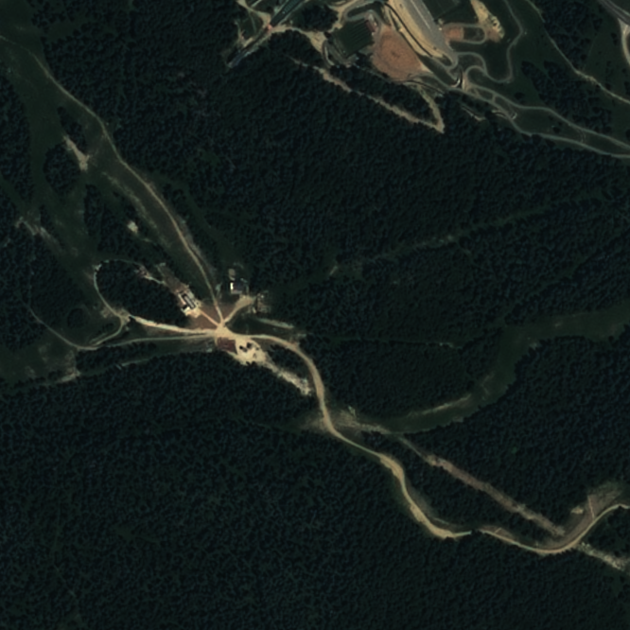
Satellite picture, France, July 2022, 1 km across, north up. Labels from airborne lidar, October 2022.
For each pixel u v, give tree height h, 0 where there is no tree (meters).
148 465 18
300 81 26
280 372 0
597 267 9
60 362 0
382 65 0
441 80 0
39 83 0
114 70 16
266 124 22
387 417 18
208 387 8
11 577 16
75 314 9
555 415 23
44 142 0
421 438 11
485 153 26
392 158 25
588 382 18
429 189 24
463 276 21
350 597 11
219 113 18
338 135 28
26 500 20
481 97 0
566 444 19
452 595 21
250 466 19
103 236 10
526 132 0
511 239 32
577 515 0
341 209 26
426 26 0
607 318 0
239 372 21
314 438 8
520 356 0
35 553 26
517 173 25
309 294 12
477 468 24
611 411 29
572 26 24
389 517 16
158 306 22
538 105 0
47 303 10
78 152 0
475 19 0
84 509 13
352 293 15
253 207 18
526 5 0
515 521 23
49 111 0
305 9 0
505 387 0
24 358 0
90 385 15
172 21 22
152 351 16
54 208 0
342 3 0
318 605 21
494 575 19
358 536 17
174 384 21
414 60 0
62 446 25
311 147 30
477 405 0
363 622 18
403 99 25
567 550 0
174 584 11
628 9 0
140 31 26
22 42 0
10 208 16
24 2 0
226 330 0
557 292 33
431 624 30
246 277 0
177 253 0
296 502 7
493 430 28
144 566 11
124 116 18
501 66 0
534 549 0
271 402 24
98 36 22
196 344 0
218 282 0
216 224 8
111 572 10
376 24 0
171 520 19
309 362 0
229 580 26
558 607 20
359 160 19
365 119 32
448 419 0
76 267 0
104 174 0
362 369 23
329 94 25
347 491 23
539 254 20
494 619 15
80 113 0
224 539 28
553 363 25
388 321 17
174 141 17
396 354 23
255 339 0
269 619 26
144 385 20
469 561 18
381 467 18
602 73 0
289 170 22
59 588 10
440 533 0
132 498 9
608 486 0
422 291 21
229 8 21
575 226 21
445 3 0
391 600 17
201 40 23
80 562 14
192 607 17
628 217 27
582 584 23
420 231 23
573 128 0
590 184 23
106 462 20
